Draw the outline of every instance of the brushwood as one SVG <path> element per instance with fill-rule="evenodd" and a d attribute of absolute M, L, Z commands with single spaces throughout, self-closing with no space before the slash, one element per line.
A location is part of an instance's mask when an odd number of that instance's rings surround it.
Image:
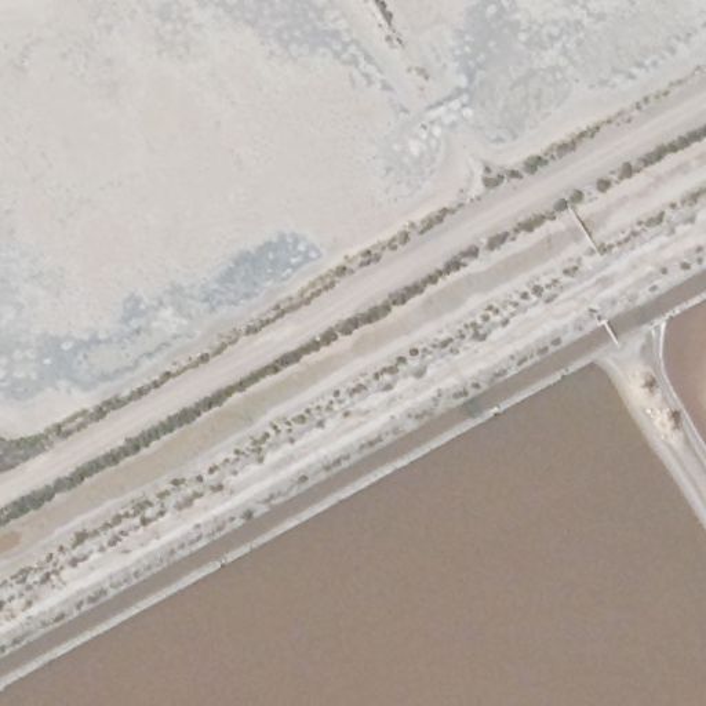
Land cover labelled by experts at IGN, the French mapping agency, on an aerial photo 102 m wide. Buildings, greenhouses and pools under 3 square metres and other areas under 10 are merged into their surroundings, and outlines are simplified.
<path fill-rule="evenodd" d="M 623 163 L 621 168 L 609 168 L 596 182 L 598 190 L 609 190 L 612 185 L 621 185 L 623 179 L 643 174 L 648 165 L 662 163 L 667 154 L 684 152 L 687 146 L 706 138 L 706 124 L 667 143 L 659 143 L 656 149 L 645 152 L 643 157 L 634 157 L 632 163 Z"/>
<path fill-rule="evenodd" d="M 392 47 L 403 47 L 405 39 L 400 36 L 394 14 L 386 0 L 372 0 L 386 22 L 386 44 Z"/>
<path fill-rule="evenodd" d="M 204 496 L 223 494 L 223 483 L 204 483 L 201 474 L 196 474 L 174 477 L 168 488 L 157 491 L 154 496 L 124 505 L 121 513 L 113 513 L 105 521 L 88 527 L 88 538 L 105 535 L 110 527 L 127 518 L 138 518 L 141 527 L 146 527 L 152 521 L 160 521 L 165 513 L 190 510 Z"/>
<path fill-rule="evenodd" d="M 535 232 L 549 221 L 557 221 L 565 210 L 582 204 L 582 190 L 571 190 L 571 196 L 557 199 L 549 210 L 507 226 L 505 232 L 491 234 L 488 248 L 496 251 L 518 234 Z"/>
<path fill-rule="evenodd" d="M 273 309 L 268 309 L 259 320 L 248 323 L 245 328 L 232 328 L 221 336 L 218 345 L 204 350 L 201 356 L 188 359 L 177 370 L 160 372 L 154 381 L 132 389 L 130 394 L 108 397 L 94 408 L 74 411 L 36 436 L 0 438 L 0 474 L 47 452 L 61 438 L 72 438 L 88 430 L 108 414 L 154 394 L 168 381 L 201 370 L 204 364 L 221 359 L 240 339 L 256 336 L 265 328 L 281 323 L 287 314 L 312 306 L 317 298 L 323 298 L 339 284 L 339 279 L 361 273 L 370 265 L 378 265 L 389 251 L 408 245 L 419 234 L 430 234 L 455 212 L 452 207 L 441 207 L 419 223 L 408 223 L 400 234 L 375 243 L 361 254 L 345 256 L 342 265 L 309 281 L 298 295 L 290 295 Z"/>
<path fill-rule="evenodd" d="M 560 143 L 546 146 L 541 154 L 527 157 L 516 168 L 499 171 L 494 165 L 483 165 L 483 185 L 499 188 L 510 179 L 527 179 L 530 174 L 538 174 L 543 165 L 563 160 L 565 154 L 576 152 L 585 141 L 598 138 L 598 124 L 590 124 Z"/>
<path fill-rule="evenodd" d="M 50 554 L 39 565 L 19 568 L 14 576 L 0 579 L 0 612 L 6 604 L 14 601 L 33 607 L 44 596 L 52 576 L 77 568 L 88 560 L 88 554 L 69 538 L 63 543 L 50 546 Z"/>
<path fill-rule="evenodd" d="M 516 298 L 485 303 L 477 323 L 463 323 L 447 339 L 425 342 L 422 347 L 408 347 L 400 356 L 394 356 L 386 367 L 361 370 L 353 378 L 350 389 L 331 389 L 325 405 L 309 405 L 295 416 L 279 416 L 268 425 L 265 433 L 251 438 L 251 447 L 234 450 L 232 458 L 218 461 L 218 472 L 237 474 L 245 463 L 262 463 L 268 450 L 295 444 L 306 430 L 325 427 L 331 416 L 370 419 L 370 408 L 356 408 L 359 394 L 392 392 L 397 386 L 397 378 L 425 378 L 430 367 L 427 356 L 438 356 L 441 350 L 461 353 L 463 342 L 485 342 L 494 328 L 510 325 L 510 320 L 516 320 L 521 312 L 538 303 L 554 303 L 563 290 L 574 287 L 574 276 L 579 276 L 579 265 L 568 265 L 557 273 L 557 279 L 546 284 L 532 284 L 521 290 Z"/>
<path fill-rule="evenodd" d="M 386 317 L 392 309 L 408 303 L 414 295 L 425 292 L 444 276 L 461 270 L 480 254 L 477 245 L 458 251 L 441 268 L 425 273 L 414 284 L 400 287 L 397 292 L 389 292 L 381 303 L 370 306 L 367 312 L 359 312 L 325 328 L 320 336 L 298 345 L 295 350 L 281 353 L 279 359 L 243 375 L 240 381 L 221 386 L 218 392 L 127 438 L 121 447 L 77 466 L 72 474 L 58 477 L 50 485 L 30 491 L 0 507 L 0 527 L 17 521 L 30 510 L 39 510 L 58 494 L 77 488 L 83 480 L 121 463 L 124 458 L 149 447 L 152 441 L 174 433 L 177 427 L 190 425 L 204 411 L 226 403 L 237 392 L 245 392 L 262 378 L 276 375 L 290 364 L 298 364 L 303 356 L 328 347 L 339 336 L 347 336 L 361 325 Z"/>
<path fill-rule="evenodd" d="M 695 223 L 698 204 L 706 199 L 706 182 L 684 193 L 681 199 L 662 204 L 659 212 L 634 221 L 621 240 L 598 245 L 598 254 L 632 248 L 654 226 L 659 229 L 659 234 L 676 234 L 678 226 Z"/>

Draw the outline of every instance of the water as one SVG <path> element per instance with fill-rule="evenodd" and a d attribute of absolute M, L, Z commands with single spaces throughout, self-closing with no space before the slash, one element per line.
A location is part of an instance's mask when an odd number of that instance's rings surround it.
<path fill-rule="evenodd" d="M 411 452 L 433 436 L 450 430 L 452 425 L 535 383 L 538 378 L 571 364 L 579 356 L 604 347 L 609 339 L 601 328 L 593 328 L 590 334 L 568 342 L 563 350 L 543 356 L 532 367 L 518 370 L 505 381 L 488 383 L 485 392 L 474 394 L 472 400 L 430 416 L 419 427 L 389 441 L 386 447 L 359 458 L 336 474 L 328 474 L 312 488 L 268 507 L 265 513 L 256 516 L 254 510 L 243 510 L 243 524 L 237 530 L 168 563 L 146 579 L 110 596 L 108 601 L 80 612 L 77 618 L 39 634 L 28 645 L 11 651 L 8 656 L 0 656 L 0 676 L 61 645 L 63 640 L 102 623 L 105 618 L 146 598 L 149 593 L 190 574 L 193 568 L 201 568 L 204 563 L 226 554 L 229 549 L 268 532 L 284 518 L 320 502 L 323 496 Z"/>
<path fill-rule="evenodd" d="M 656 320 L 676 303 L 706 290 L 706 270 L 673 284 L 670 290 L 645 301 L 643 306 L 626 309 L 609 320 L 615 336 L 626 336 L 634 328 Z"/>
<path fill-rule="evenodd" d="M 215 574 L 193 582 L 190 587 L 168 596 L 165 601 L 138 612 L 116 629 L 83 643 L 80 648 L 47 662 L 30 676 L 0 689 L 0 706 L 706 706 L 706 527 L 692 510 L 689 499 L 678 488 L 665 461 L 645 438 L 612 375 L 601 364 L 587 364 L 574 375 L 565 375 L 557 383 L 546 386 L 543 392 L 521 400 L 518 405 L 491 416 L 488 422 L 461 433 L 444 447 L 422 455 L 419 461 L 367 485 L 364 491 L 336 502 L 320 516 L 292 527 L 270 543 L 237 557 L 229 565 L 221 565 Z"/>
<path fill-rule="evenodd" d="M 665 331 L 665 364 L 670 383 L 706 441 L 706 301 L 673 317 Z"/>

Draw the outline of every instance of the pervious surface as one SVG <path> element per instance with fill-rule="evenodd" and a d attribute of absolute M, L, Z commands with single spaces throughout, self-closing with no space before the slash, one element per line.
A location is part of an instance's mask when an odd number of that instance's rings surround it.
<path fill-rule="evenodd" d="M 621 168 L 623 163 L 632 163 L 634 157 L 643 157 L 645 152 L 656 149 L 659 143 L 667 143 L 706 124 L 706 0 L 386 0 L 394 14 L 400 36 L 405 39 L 403 47 L 392 47 L 386 44 L 386 22 L 372 0 L 0 0 L 0 438 L 36 436 L 74 411 L 94 408 L 108 397 L 130 394 L 132 389 L 154 381 L 160 372 L 177 370 L 188 359 L 201 356 L 204 350 L 218 345 L 221 336 L 232 328 L 245 328 L 248 323 L 259 320 L 268 309 L 273 309 L 290 295 L 298 295 L 309 281 L 342 265 L 345 256 L 361 254 L 375 243 L 400 234 L 408 223 L 419 223 L 441 207 L 452 207 L 455 212 L 430 234 L 419 234 L 408 245 L 389 251 L 378 265 L 370 265 L 361 273 L 339 279 L 339 284 L 323 298 L 317 298 L 312 306 L 287 314 L 281 323 L 265 328 L 256 336 L 240 339 L 221 359 L 204 364 L 201 370 L 168 381 L 154 394 L 108 414 L 88 430 L 72 438 L 61 438 L 47 452 L 0 474 L 0 507 L 30 491 L 50 485 L 58 477 L 72 474 L 77 466 L 121 447 L 127 438 L 218 392 L 221 386 L 240 381 L 243 375 L 279 359 L 281 353 L 295 350 L 298 345 L 320 336 L 325 328 L 359 312 L 367 312 L 370 306 L 381 303 L 389 292 L 397 292 L 400 287 L 414 284 L 425 273 L 441 268 L 458 251 L 477 245 L 480 254 L 461 270 L 444 276 L 425 292 L 414 295 L 408 303 L 392 309 L 386 317 L 361 325 L 347 336 L 339 336 L 328 347 L 303 356 L 298 364 L 290 364 L 276 375 L 262 378 L 245 392 L 237 392 L 226 403 L 204 411 L 190 425 L 177 427 L 174 433 L 152 441 L 149 447 L 124 458 L 121 463 L 83 480 L 77 488 L 58 494 L 39 510 L 30 510 L 17 521 L 0 527 L 0 579 L 14 576 L 19 568 L 39 565 L 50 554 L 50 546 L 63 543 L 69 538 L 88 554 L 88 560 L 77 568 L 52 576 L 44 596 L 33 607 L 14 601 L 6 604 L 0 612 L 0 656 L 8 656 L 11 651 L 28 645 L 39 634 L 77 618 L 80 612 L 108 601 L 110 596 L 146 579 L 168 563 L 237 530 L 243 524 L 243 510 L 254 510 L 256 516 L 265 513 L 268 507 L 312 488 L 328 474 L 336 474 L 359 458 L 386 447 L 389 441 L 419 427 L 430 416 L 472 400 L 474 394 L 485 392 L 488 383 L 505 381 L 518 370 L 532 367 L 543 356 L 563 350 L 568 342 L 590 334 L 593 328 L 601 328 L 609 339 L 604 347 L 579 356 L 571 364 L 538 378 L 535 383 L 452 425 L 450 430 L 433 436 L 411 452 L 323 496 L 320 502 L 284 518 L 268 532 L 229 549 L 226 554 L 204 563 L 201 568 L 193 568 L 190 574 L 149 593 L 146 598 L 105 618 L 102 623 L 63 640 L 61 645 L 0 676 L 0 689 L 30 676 L 47 662 L 80 648 L 83 643 L 116 629 L 138 612 L 165 601 L 168 596 L 190 587 L 193 582 L 215 574 L 221 565 L 229 565 L 237 557 L 270 543 L 292 527 L 320 516 L 336 502 L 364 491 L 367 485 L 419 461 L 422 455 L 444 447 L 461 433 L 488 422 L 491 416 L 518 405 L 521 400 L 543 392 L 546 386 L 557 383 L 565 375 L 574 375 L 587 364 L 601 364 L 612 375 L 645 438 L 665 461 L 678 488 L 689 499 L 692 510 L 706 527 L 706 441 L 670 383 L 665 364 L 665 331 L 673 317 L 706 301 L 706 290 L 676 303 L 656 320 L 634 328 L 626 336 L 615 336 L 609 320 L 626 309 L 643 306 L 645 301 L 670 290 L 673 284 L 706 270 L 706 199 L 698 204 L 695 223 L 678 226 L 676 234 L 659 234 L 659 229 L 654 226 L 632 248 L 598 254 L 598 245 L 621 240 L 634 221 L 659 212 L 662 204 L 681 199 L 684 193 L 706 182 L 706 138 L 687 146 L 684 152 L 667 154 L 662 163 L 648 165 L 643 174 L 623 179 L 621 185 L 612 185 L 609 190 L 598 190 L 596 182 L 609 168 Z M 538 174 L 530 174 L 527 179 L 510 179 L 499 188 L 483 185 L 483 165 L 494 165 L 499 171 L 516 168 L 527 157 L 541 154 L 546 146 L 560 143 L 590 124 L 598 124 L 598 138 L 585 141 L 576 152 L 565 154 L 563 160 L 543 165 Z M 505 232 L 507 226 L 549 210 L 557 199 L 571 196 L 571 190 L 582 190 L 582 204 L 565 210 L 557 221 L 549 221 L 535 232 L 518 234 L 496 251 L 488 248 L 491 234 Z M 325 405 L 331 389 L 350 389 L 353 378 L 361 370 L 386 367 L 394 356 L 400 356 L 408 347 L 422 347 L 425 342 L 447 339 L 463 323 L 477 323 L 485 303 L 516 298 L 521 290 L 532 284 L 546 284 L 557 279 L 557 273 L 568 265 L 579 265 L 579 276 L 574 276 L 574 287 L 563 290 L 554 303 L 538 303 L 521 312 L 516 320 L 510 320 L 510 325 L 494 328 L 485 342 L 463 342 L 461 353 L 441 350 L 438 356 L 427 356 L 430 367 L 425 378 L 397 378 L 397 386 L 392 392 L 359 394 L 356 408 L 370 408 L 370 419 L 331 416 L 325 427 L 306 430 L 295 444 L 268 450 L 262 463 L 245 463 L 237 474 L 218 472 L 218 461 L 232 458 L 234 450 L 251 447 L 251 438 L 265 433 L 268 425 L 279 416 L 295 416 L 309 405 Z M 174 477 L 196 474 L 201 474 L 204 483 L 223 483 L 223 494 L 204 496 L 190 510 L 165 513 L 160 521 L 152 521 L 146 527 L 141 527 L 138 518 L 127 518 L 110 527 L 105 535 L 88 538 L 88 527 L 105 521 L 113 513 L 121 513 L 124 505 L 154 496 L 157 491 L 168 488 Z"/>

